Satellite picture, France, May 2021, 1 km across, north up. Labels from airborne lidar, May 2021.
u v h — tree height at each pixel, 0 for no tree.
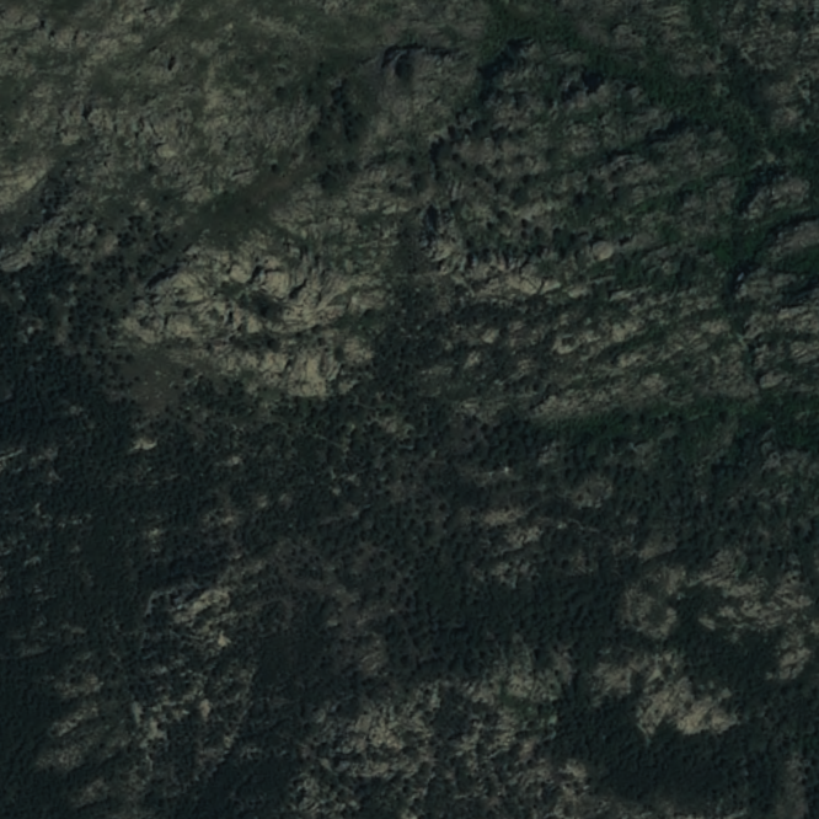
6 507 7
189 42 0
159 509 13
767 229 13
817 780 26
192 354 0
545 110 9
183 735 9
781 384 21
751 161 15
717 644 13
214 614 11
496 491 12
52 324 12
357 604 10
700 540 25
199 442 12
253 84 0
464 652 23
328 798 12
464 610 24
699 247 10
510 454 17
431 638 24
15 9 0
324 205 6
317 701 16
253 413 9
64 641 10
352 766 7
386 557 21
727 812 7
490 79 14
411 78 19
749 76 18
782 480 10
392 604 7
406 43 9
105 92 0
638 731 10
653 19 24
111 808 15
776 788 14
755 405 7
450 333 7
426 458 17
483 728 15
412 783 23
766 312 10
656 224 11
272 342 19
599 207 31
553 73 6
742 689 19
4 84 0
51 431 12
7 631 13
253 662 8
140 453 12
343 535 17
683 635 6
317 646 14
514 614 20
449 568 18
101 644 18
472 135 19
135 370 0
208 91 0
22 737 14
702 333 8
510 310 9
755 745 26
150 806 11
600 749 22
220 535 8
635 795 16
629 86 17
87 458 12
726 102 11
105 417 15
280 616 13
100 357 10
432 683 9
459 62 15
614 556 6
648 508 17
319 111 6
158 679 13
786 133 7
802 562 6
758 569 13
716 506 16
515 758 19
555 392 11
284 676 12
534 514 14
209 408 11
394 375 17
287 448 13
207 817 9
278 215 0
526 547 19
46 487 10
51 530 8
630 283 10
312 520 15
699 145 8
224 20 0
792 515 26
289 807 16
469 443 16
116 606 13
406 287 7
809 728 25
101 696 12
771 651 8
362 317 7
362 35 0
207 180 0
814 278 22
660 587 0
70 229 12
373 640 14
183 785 10
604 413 7
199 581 11
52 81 0
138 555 14
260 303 8
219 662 11
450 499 11
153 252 7
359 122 12
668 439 11
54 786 13
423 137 6
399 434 13
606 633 13
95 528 15
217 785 16
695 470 9
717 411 10
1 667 14
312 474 12
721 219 9
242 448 13
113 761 17
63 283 16
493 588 17
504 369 12
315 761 10
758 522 24
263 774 12
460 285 8
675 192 15
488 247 6
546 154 9
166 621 14
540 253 11
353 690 13
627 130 9
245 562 11
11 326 14
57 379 10
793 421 9
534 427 18
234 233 0
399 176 9
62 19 0
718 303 6
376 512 18
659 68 9
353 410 20
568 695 23
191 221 0
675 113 11
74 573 9
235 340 15
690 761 18
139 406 12
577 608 19
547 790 15
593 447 28
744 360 8
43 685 12
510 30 10
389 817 20
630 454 8
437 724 17
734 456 12
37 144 0
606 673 0
